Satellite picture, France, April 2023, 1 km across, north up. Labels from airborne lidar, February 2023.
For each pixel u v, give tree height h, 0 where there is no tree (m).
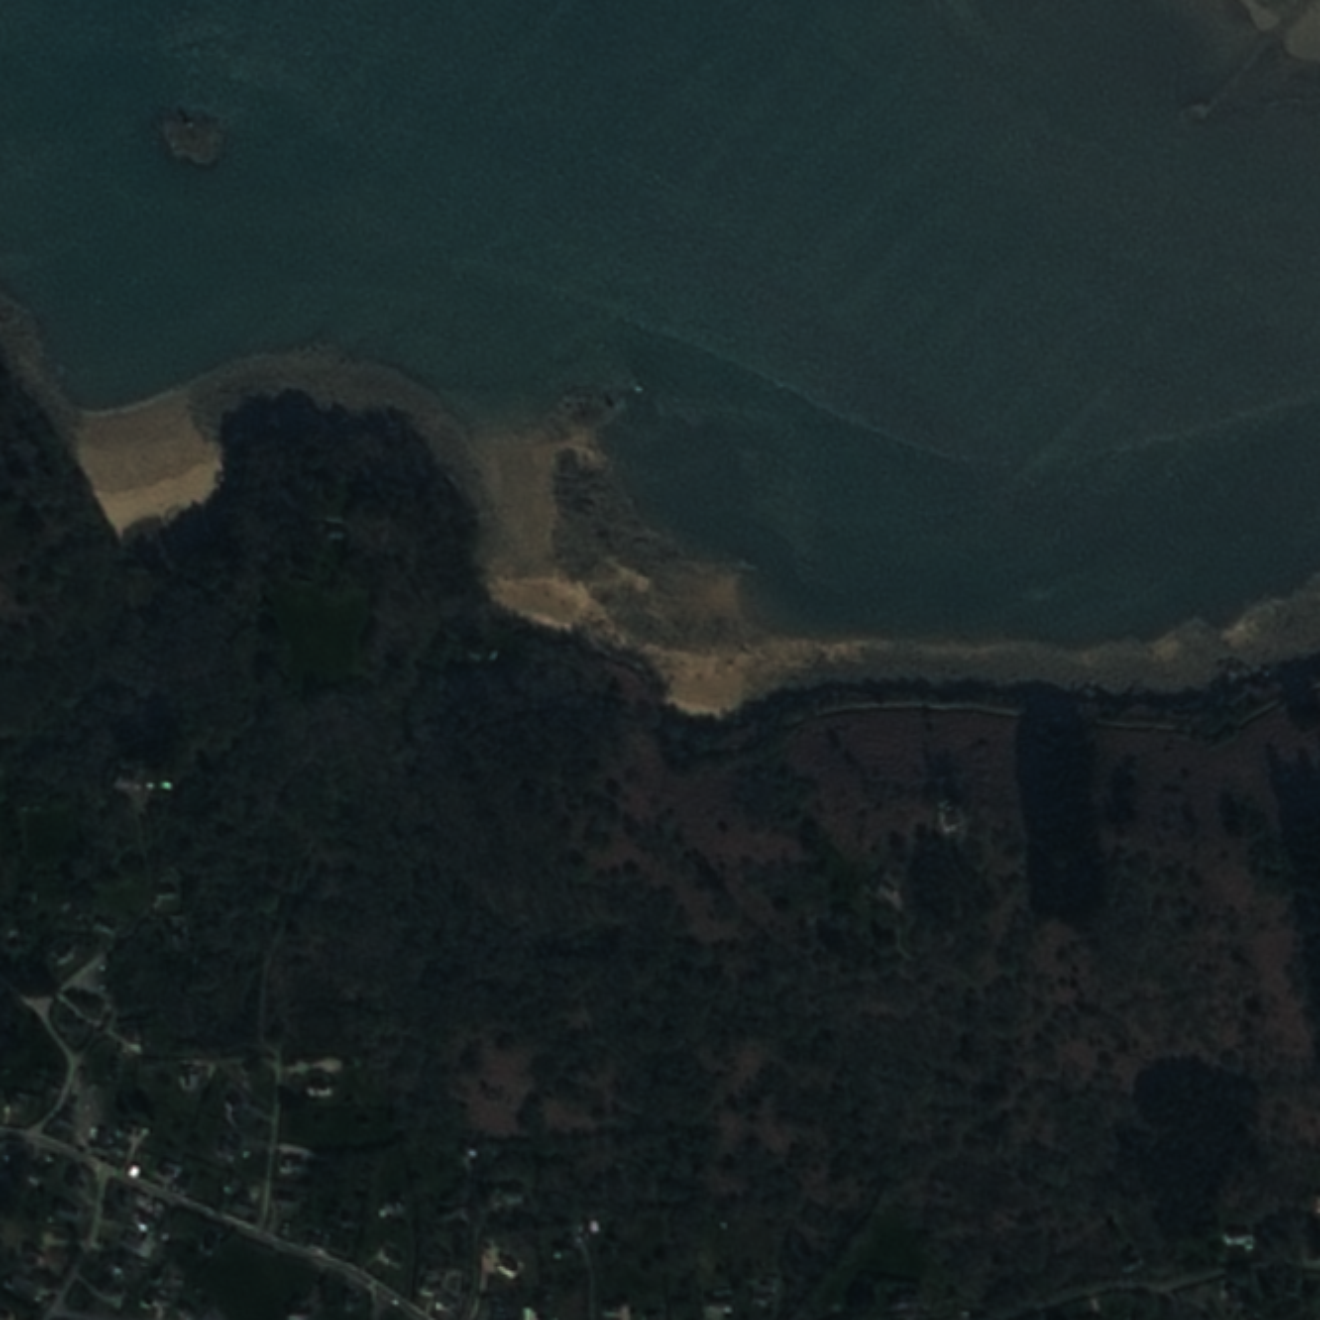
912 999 10
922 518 0
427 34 0
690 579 0
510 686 23
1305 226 0
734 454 0
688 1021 12
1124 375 0
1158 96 0
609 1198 6
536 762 21
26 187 0
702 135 0
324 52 0
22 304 0
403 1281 0
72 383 0
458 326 0
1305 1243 17
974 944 15
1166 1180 16
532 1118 11
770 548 0
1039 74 0
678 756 8
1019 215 0
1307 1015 7
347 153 0
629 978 15
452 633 17
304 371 0
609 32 0
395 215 0
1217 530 0
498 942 19
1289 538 0
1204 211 0
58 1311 0
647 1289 0
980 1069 9
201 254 0
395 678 28
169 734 17
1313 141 0
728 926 7
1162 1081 17
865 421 0
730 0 0
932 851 11
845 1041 11
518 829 15
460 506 14
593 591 0
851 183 0
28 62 0
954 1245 10
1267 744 0
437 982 16
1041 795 28
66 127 0
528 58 0
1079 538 0
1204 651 0
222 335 0
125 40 0
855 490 0
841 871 0
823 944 14
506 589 0
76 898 9
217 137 0
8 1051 15
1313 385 0
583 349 0
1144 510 0
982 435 0
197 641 20
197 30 0
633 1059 14
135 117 0
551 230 0
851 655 0
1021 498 0
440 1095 15
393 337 0
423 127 0
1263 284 0
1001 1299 14
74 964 0
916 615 0
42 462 13
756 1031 13
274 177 0
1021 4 0
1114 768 0
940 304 0
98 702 25
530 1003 13
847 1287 0
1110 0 0
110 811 16
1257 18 0
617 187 0
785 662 0
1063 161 0
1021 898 7
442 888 25
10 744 7
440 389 0
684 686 0
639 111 0
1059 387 0
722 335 0
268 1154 7
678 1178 13
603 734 23
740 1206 8
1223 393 0
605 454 0
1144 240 0
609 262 0
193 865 18
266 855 9
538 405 0
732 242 0
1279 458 0
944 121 0
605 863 0
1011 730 0
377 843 22
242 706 17
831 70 0
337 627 0
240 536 13
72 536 10
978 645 0
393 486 14
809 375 0
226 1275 0
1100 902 17
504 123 0
